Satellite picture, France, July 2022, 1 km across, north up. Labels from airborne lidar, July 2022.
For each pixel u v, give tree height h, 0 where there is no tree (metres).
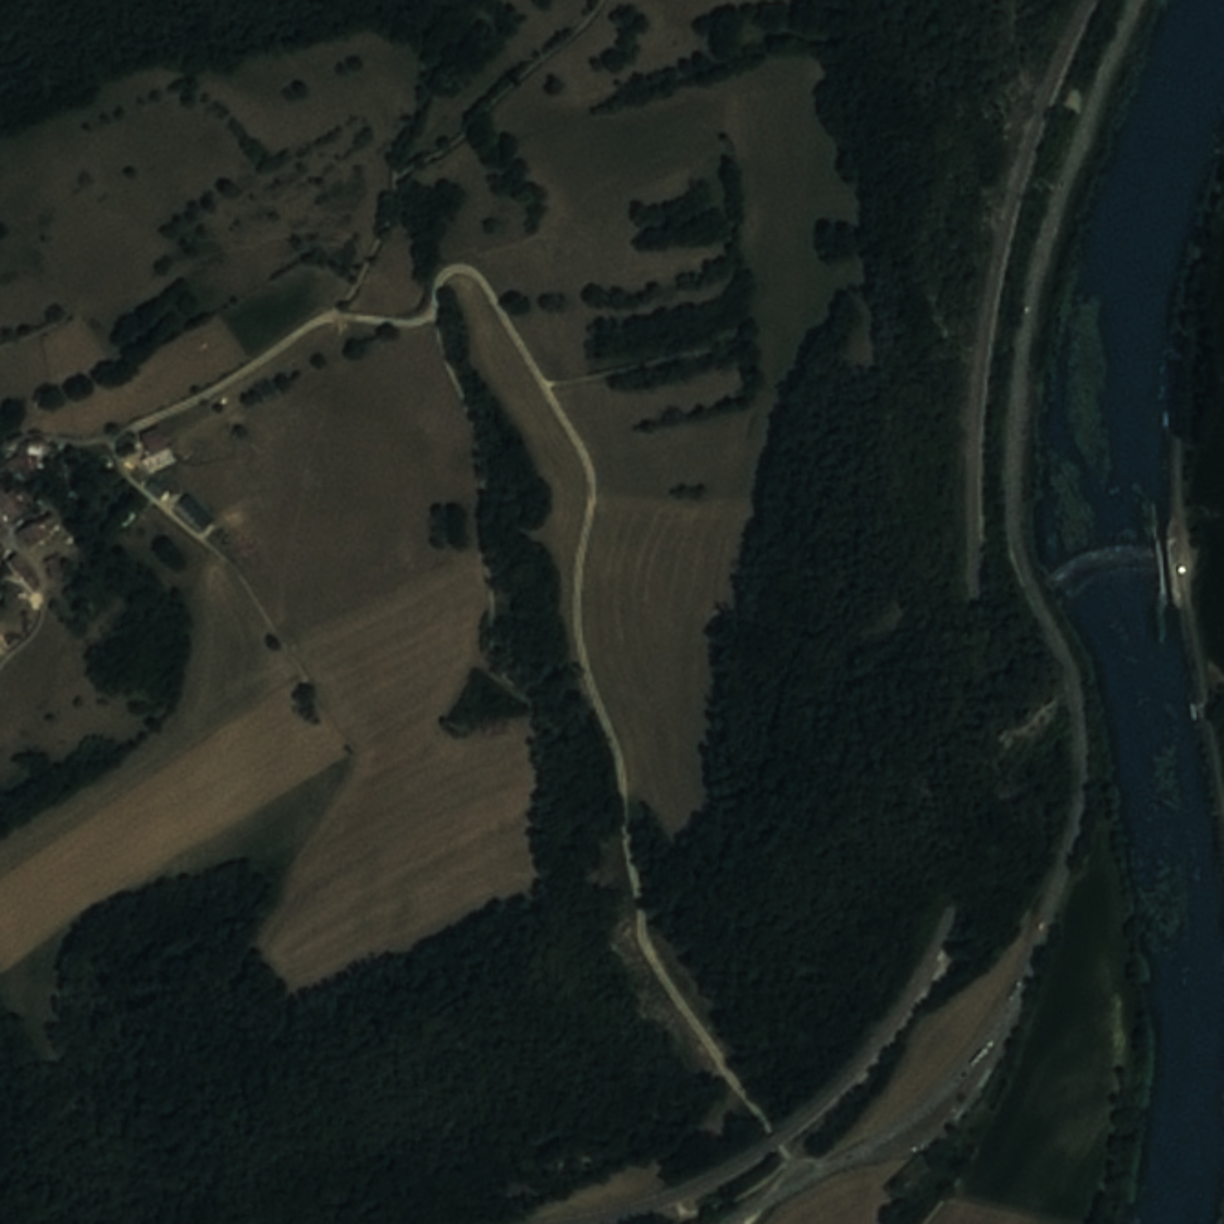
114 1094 21
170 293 10
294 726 0
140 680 8
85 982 18
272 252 0
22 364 0
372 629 0
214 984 17
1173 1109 0
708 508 0
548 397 0
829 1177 0
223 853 0
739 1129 19
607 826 21
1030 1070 0
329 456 0
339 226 0
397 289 0
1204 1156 0
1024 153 0
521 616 17
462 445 0
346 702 0
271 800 0
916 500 18
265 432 0
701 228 15
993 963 16
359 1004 19
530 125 0
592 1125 23
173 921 24
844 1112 16
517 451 23
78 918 0
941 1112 0
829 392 21
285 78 0
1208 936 0
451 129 0
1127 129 0
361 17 18
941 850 15
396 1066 11
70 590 8
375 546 0
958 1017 0
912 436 19
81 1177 13
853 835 14
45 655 0
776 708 10
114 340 12
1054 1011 0
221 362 0
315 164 0
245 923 15
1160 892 0
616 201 0
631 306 11
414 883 0
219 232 0
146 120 0
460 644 0
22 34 14
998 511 19
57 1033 14
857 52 19
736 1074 19
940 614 21
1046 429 0
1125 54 0
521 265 0
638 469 0
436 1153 19
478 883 0
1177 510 0
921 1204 6
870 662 15
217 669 0
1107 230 0
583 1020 14
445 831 0
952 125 14
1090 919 0
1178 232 0
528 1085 14
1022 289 13
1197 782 0
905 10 8
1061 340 0
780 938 14
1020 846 23
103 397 0
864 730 15
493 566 14
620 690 0
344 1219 20
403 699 0
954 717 15
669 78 12
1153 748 0
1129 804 0
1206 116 0
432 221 13
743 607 19
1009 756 17
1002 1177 0
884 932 22
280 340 0
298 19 10
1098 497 0
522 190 14
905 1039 12
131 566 11
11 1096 12
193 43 16
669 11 0
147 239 0
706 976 20
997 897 19
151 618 15
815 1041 20
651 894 15
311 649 0
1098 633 0
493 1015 17
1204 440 30
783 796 20
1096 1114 0
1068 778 15
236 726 0
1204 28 0
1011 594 19
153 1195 24
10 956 0
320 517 0
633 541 0
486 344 0
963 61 9
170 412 0
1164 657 0
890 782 15
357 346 12
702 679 0
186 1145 15
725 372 17
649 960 0
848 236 13
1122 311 0
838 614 12
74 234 0
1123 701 0
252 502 0
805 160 0
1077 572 0
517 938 19
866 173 17
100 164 0
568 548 0
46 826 0
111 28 13
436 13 18
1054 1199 0
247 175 0
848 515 7
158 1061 23
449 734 7
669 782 0
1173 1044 0
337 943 0
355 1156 17
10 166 0
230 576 0
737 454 0
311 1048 13
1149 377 0
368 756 0
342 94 0
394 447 0
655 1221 14
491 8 13
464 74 23
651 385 19
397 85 0
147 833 0
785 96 0
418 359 0
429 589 0
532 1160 22
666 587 0
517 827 0
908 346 16
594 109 6
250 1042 18
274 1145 12
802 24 22
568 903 17
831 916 8
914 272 17
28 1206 20
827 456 13
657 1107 20
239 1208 19
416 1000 18
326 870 0
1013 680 25
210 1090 16
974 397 0
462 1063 14
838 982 20
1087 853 12
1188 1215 0
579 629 0
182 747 0
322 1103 10
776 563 22
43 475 6
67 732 0
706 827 23
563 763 21
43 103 17
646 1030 16
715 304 8
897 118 18
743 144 0
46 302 0
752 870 13
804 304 0
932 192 14
